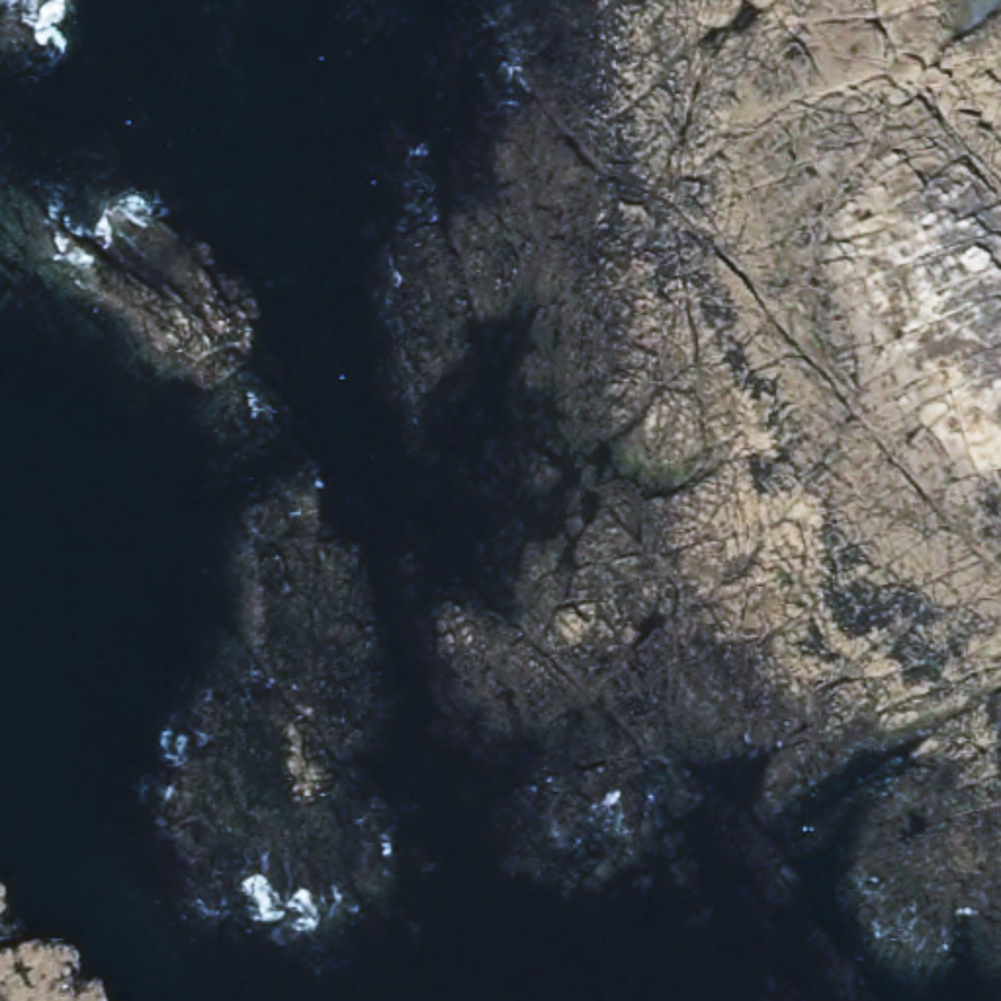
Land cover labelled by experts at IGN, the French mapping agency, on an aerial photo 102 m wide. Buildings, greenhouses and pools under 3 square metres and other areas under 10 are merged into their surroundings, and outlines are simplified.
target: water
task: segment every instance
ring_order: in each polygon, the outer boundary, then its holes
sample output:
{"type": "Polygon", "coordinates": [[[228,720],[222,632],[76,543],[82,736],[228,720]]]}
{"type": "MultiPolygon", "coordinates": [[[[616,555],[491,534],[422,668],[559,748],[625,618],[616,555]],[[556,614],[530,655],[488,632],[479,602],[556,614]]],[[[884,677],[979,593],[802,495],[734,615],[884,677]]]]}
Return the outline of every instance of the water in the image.
{"type": "Polygon", "coordinates": [[[66,12],[59,20],[66,47],[39,43],[27,20],[8,16],[0,8],[0,954],[23,942],[70,946],[78,954],[78,966],[70,970],[70,993],[82,993],[98,981],[106,989],[106,1001],[1001,1001],[1001,809],[978,805],[978,786],[958,782],[958,759],[919,755],[919,739],[911,727],[888,731],[872,719],[852,719],[849,727],[841,727],[841,735],[829,739],[821,727],[809,727],[809,719],[786,727],[790,692],[762,676],[762,669],[774,657],[774,641],[759,633],[747,641],[716,641],[727,606],[719,598],[700,598],[700,590],[680,575],[680,547],[673,544],[673,528],[680,524],[680,512],[673,508],[673,497],[684,493],[669,481],[669,465],[633,465],[622,457],[622,450],[641,426],[626,418],[614,426],[610,414],[614,407],[622,407],[626,395],[610,395],[610,383],[630,375],[630,352],[637,352],[641,340],[630,336],[630,325],[637,321],[637,297],[630,289],[606,285],[622,270],[630,270],[630,258],[610,250],[610,242],[622,235],[626,203],[645,207],[653,223],[665,223],[669,203],[633,176],[637,145],[630,145],[622,133],[626,125],[633,125],[633,113],[622,113],[610,102],[618,74],[614,43],[602,43],[598,0],[66,0],[66,12]],[[164,375],[152,360],[152,340],[141,328],[133,328],[133,321],[121,309],[78,293],[70,285],[74,266],[55,262],[59,235],[98,262],[109,250],[109,242],[98,239],[98,215],[106,203],[117,203],[125,196],[160,199],[172,235],[180,235],[184,242],[211,246],[215,262],[207,278],[231,278],[258,305],[246,364],[215,387],[203,387],[196,375],[164,375]],[[266,876],[270,892],[309,892],[317,903],[317,927],[297,931],[297,907],[282,919],[258,919],[254,899],[242,892],[250,876],[266,876]]]}

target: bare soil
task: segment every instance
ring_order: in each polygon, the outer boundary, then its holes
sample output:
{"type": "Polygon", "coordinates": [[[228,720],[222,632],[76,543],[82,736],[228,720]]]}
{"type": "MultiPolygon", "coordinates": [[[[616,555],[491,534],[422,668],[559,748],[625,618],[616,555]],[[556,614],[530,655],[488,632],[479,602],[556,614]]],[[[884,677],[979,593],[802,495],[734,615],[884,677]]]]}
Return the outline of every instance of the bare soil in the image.
{"type": "Polygon", "coordinates": [[[98,215],[98,239],[109,242],[109,250],[98,262],[59,235],[55,262],[74,266],[70,285],[78,293],[121,309],[133,321],[133,328],[141,328],[152,340],[152,360],[164,375],[196,375],[203,387],[215,387],[246,364],[258,305],[231,278],[207,278],[215,262],[211,246],[184,242],[180,235],[172,235],[160,199],[125,196],[117,203],[106,203],[98,215]]]}
{"type": "Polygon", "coordinates": [[[297,931],[317,927],[317,903],[309,892],[270,892],[266,876],[250,876],[242,892],[254,899],[258,919],[282,919],[297,907],[297,931]]]}
{"type": "Polygon", "coordinates": [[[0,1001],[106,1001],[106,989],[98,981],[82,993],[70,993],[70,970],[78,966],[78,954],[70,946],[23,942],[0,954],[0,1001]]]}
{"type": "Polygon", "coordinates": [[[614,43],[618,74],[610,102],[622,113],[633,113],[633,125],[626,125],[622,133],[630,145],[637,145],[633,176],[669,203],[665,223],[653,223],[645,207],[626,203],[622,235],[610,242],[610,250],[630,258],[630,270],[622,270],[606,285],[630,289],[637,297],[637,321],[630,325],[630,336],[641,340],[637,352],[630,352],[630,375],[610,383],[610,395],[626,395],[622,407],[614,407],[610,414],[614,426],[626,418],[641,426],[622,450],[622,457],[633,465],[669,465],[669,481],[684,493],[673,497],[673,508],[680,512],[680,524],[673,528],[673,544],[680,547],[680,575],[700,590],[700,598],[719,598],[727,606],[716,641],[747,641],[759,633],[774,641],[774,657],[762,669],[762,676],[790,692],[786,727],[809,719],[809,727],[821,727],[829,739],[841,735],[841,727],[849,727],[852,719],[872,719],[888,731],[911,727],[919,739],[919,755],[958,759],[958,782],[978,786],[978,805],[1001,809],[1001,0],[598,0],[602,43],[614,43]]]}
{"type": "Polygon", "coordinates": [[[66,12],[66,0],[0,0],[0,8],[8,16],[27,20],[39,43],[66,47],[59,20],[66,12]]]}

